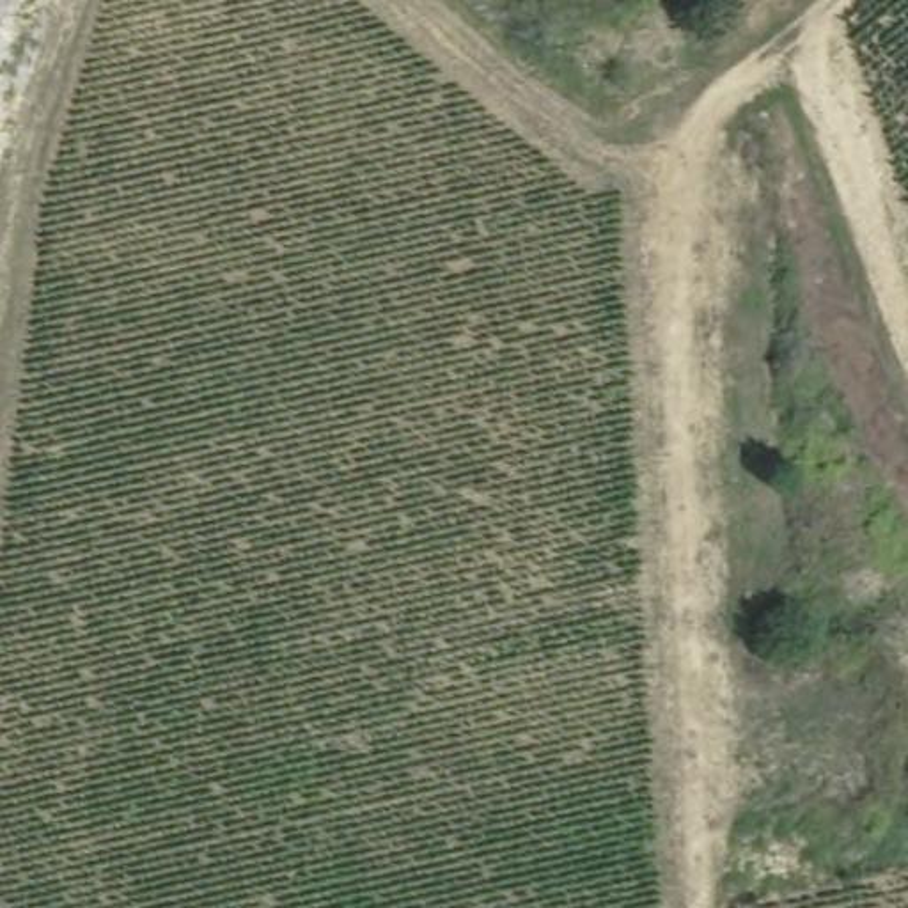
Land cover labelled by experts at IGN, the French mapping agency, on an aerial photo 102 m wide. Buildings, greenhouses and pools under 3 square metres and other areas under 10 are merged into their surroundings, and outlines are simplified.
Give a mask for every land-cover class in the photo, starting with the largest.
<instances>
[{"label":"vineyard","instance_id":"1","mask_svg":"<svg viewBox=\"0 0 908 908\"><path fill-rule=\"evenodd\" d=\"M621 192H589L575 184L568 174L557 170L550 156H543L511 128H504L458 82L436 78V64L422 57L387 21H380L362 0H99L92 46L71 99L67 128L39 209L32 319L28 348L21 358L25 372L18 426L11 436V482L4 497L7 511L0 528V908H656L660 883L649 851V841L656 837V809L649 795L653 738L642 674L646 638L635 582L638 550L628 546V536H635V465L628 440L631 358L621 301ZM841 25L862 67V85L880 121L894 181L901 184V199L908 206V0H855L851 7H844ZM741 844L727 837L724 862L713 869L716 908H908V855L901 862L883 865V873L862 876L855 883H844L834 869L823 873L819 865L802 858L787 876L763 880L741 873Z\"/></svg>","mask_w":908,"mask_h":908},{"label":"herbaceous vegetation","instance_id":"2","mask_svg":"<svg viewBox=\"0 0 908 908\"><path fill-rule=\"evenodd\" d=\"M99 0H0V528L7 511L4 497L11 482V436L18 426L25 372L21 358L28 348L32 319L39 209L67 128L71 99L92 46ZM380 21H387L422 57L436 64V78L458 82L504 128H511L543 156H550L557 170L568 174L575 184L589 192H621V301L631 358L628 440L635 465V536H628V546L638 550L635 582L646 638L642 674L653 738L649 795L656 809V837L649 841V851L660 883L656 908H688V890L681 880L685 834L674 819L681 777V713L663 706V692L677 681L681 663L660 638L663 617L670 614L674 571L670 560L660 557V546L670 539L667 482L660 468V454L667 450V415L663 348L653 326L656 294L649 287V273L656 270L660 255L642 248V227L649 220L646 202H656V184H646V177L656 163L653 138L670 135L695 106V99L724 71L741 64L759 46L773 43L795 21H802L816 0H741L745 18L724 39H695L674 28L670 21L681 11L699 7L702 0H663V7L646 4L631 28H589V43L575 53L582 74H592L610 57L628 64V78L621 85L614 82L607 92L621 103V110L592 117L589 110L553 92L550 82L532 78L525 60L493 46L479 28H472L458 11L447 7V0H362ZM706 209L699 213V231L692 245V284H706L709 298L702 301L692 323V362L699 365L695 394L720 411L713 419L692 422L688 433L695 447L702 514L709 518V532L699 539L695 550V568L702 571L706 596L720 607L706 617V631L727 642L731 649L738 713V745L731 755L738 763L741 787L738 812L741 819H752L755 812H798L805 819H819L880 805L883 812L897 816L908 787V575L894 578L873 571V528L862 521V504L869 500V489L862 486V479L809 486L798 497H780L770 482L784 465V454L770 447L777 440L780 415L773 408L766 344L773 330V252L780 241H791L802 330V344L791 351V362L812 358L830 372V383L844 394L851 422L862 426L858 440L851 443L865 461L880 468L887 489L897 500V511L908 518V376L897 362L890 330L876 305L865 262L841 209L830 167L816 142V128L802 110L798 89L770 85L755 92L748 103H741L724 124V142L706 160ZM841 592H848V599L858 603L855 617L834 621L816 663L777 670L766 656H755L777 610L805 607L816 596Z\"/></svg>","mask_w":908,"mask_h":908},{"label":"pervious surface","instance_id":"3","mask_svg":"<svg viewBox=\"0 0 908 908\"><path fill-rule=\"evenodd\" d=\"M855 0H816L802 21H795L773 43L759 46L741 64L724 71L695 99V106L670 135L653 138L656 163L646 177V184H656V202H646L649 220L642 227V248L660 255L656 270L649 273V287L656 294L653 326L663 348L667 415V450L660 454V468L667 482L670 539L660 546V557L670 560L674 571L670 614L663 617L660 638L681 663L677 681L663 692V706L681 713V777L674 819L685 834L681 880L688 890V908H716L713 869L724 862L727 837L731 819L738 812L741 787L738 763L731 755L738 745V713L731 649L727 642L706 631V617L720 607L706 596L702 571L695 568V550L699 539L709 532V518L702 514L695 447L688 433L692 422L713 419L720 411L695 394L699 365L692 362V323L702 301L709 298L706 284H692V245L699 231V213L706 209V160L724 142V124L741 103H748L755 92L770 85L798 89L802 110L816 128V142L830 167L841 209L865 262L876 305L890 330L897 362L908 376V206L901 199V184L894 181L880 121L862 85V67L841 25L844 7H851Z\"/></svg>","mask_w":908,"mask_h":908},{"label":"brushwood","instance_id":"4","mask_svg":"<svg viewBox=\"0 0 908 908\"><path fill-rule=\"evenodd\" d=\"M646 4L663 7V0H447V7L458 11L472 28H479L493 46L525 60L532 78L550 82L553 92L589 110L592 117L621 110V103L607 92L614 82L621 85L628 78V64L610 57L592 74H582L575 53L589 43V28H631ZM773 330L766 344L773 408L780 415L777 440L770 447L784 454V465H795L802 472V482L809 486L862 479V486L869 489V500L862 504V521L873 528V571L894 578L908 575V518L897 511V500L887 489L880 468L865 461L851 443L858 440L862 426L851 422L844 394L830 383V372L812 358L791 362V351L802 344V330L791 241H780L773 252ZM727 837L741 844V873L763 880L787 876L802 858L819 865L823 873L834 869L844 883H855L862 876L883 873V865L901 862L908 855V787L897 816L883 812L880 805L819 819H805L798 812H755L752 819H741L738 812L731 819Z\"/></svg>","mask_w":908,"mask_h":908},{"label":"deciduous trees","instance_id":"5","mask_svg":"<svg viewBox=\"0 0 908 908\"><path fill-rule=\"evenodd\" d=\"M745 18L741 0H702L699 7L681 11L670 21L674 28L695 39H724ZM780 497H798L809 486L802 482V472L795 465H784L770 482ZM858 603L848 599V592H841L816 596L805 607L777 610L755 656H766L777 670L816 663L834 621L855 617Z\"/></svg>","mask_w":908,"mask_h":908}]
</instances>
